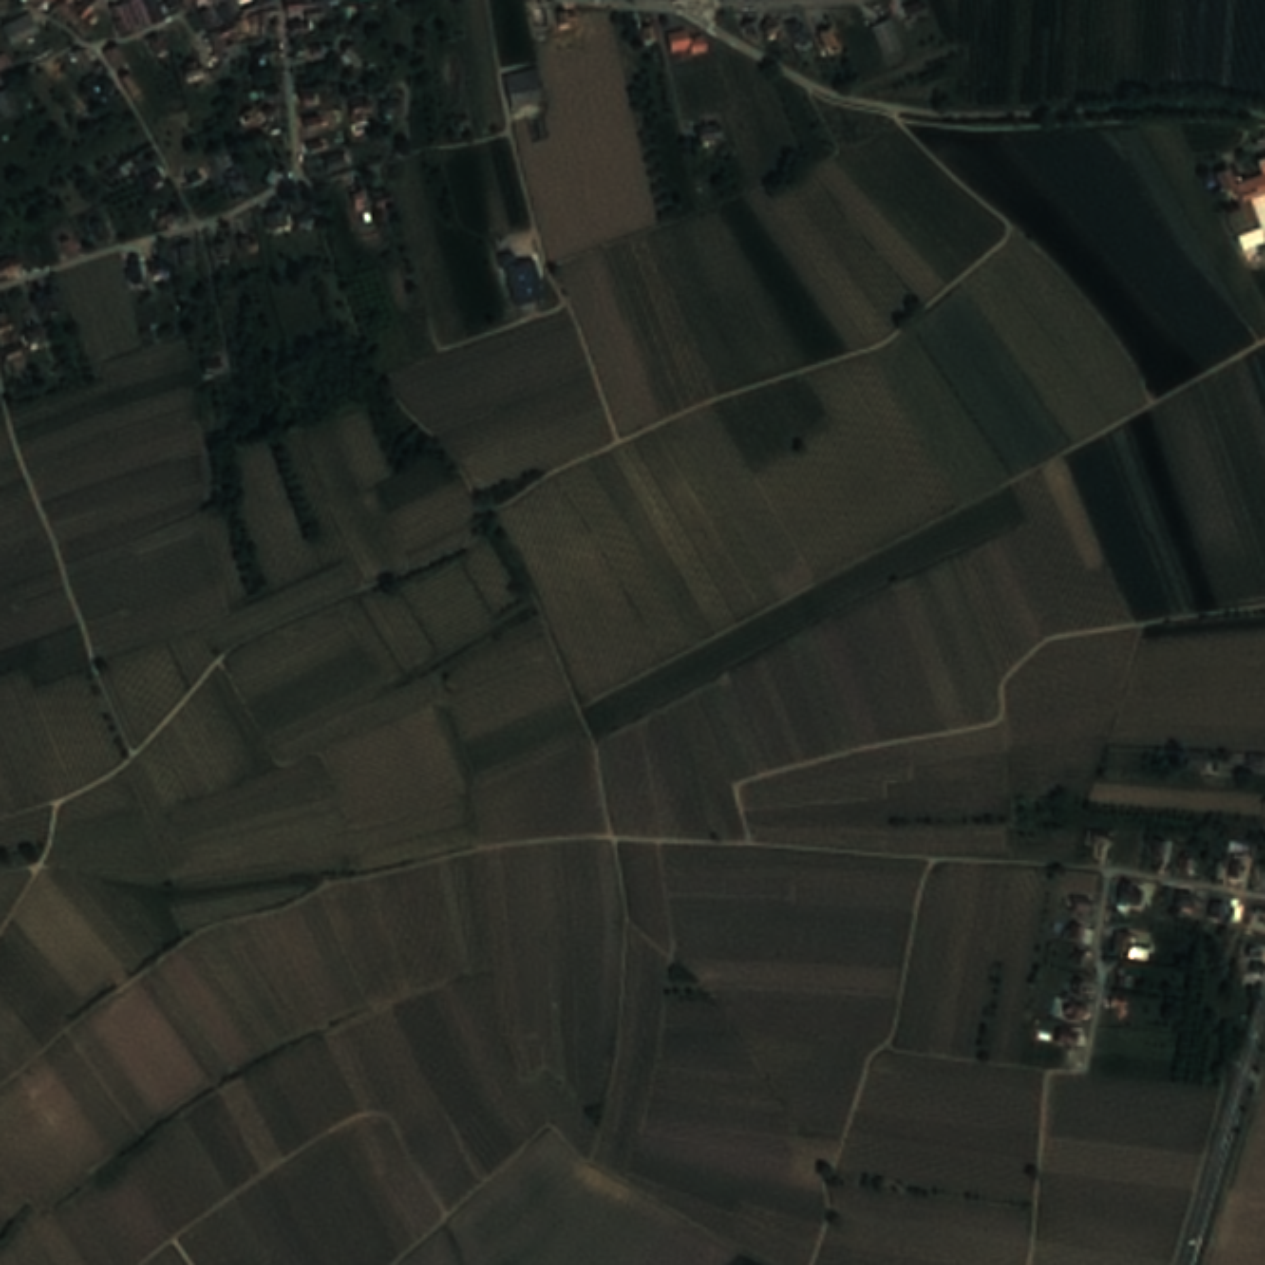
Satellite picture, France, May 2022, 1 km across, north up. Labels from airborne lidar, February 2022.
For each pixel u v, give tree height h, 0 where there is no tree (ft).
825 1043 0
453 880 0
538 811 0
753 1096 0
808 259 0
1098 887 0
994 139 0
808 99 0
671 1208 0
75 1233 0
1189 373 0
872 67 0
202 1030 0
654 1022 0
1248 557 0
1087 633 0
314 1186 0
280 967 0
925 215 0
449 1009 0
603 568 0
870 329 0
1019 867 0
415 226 0
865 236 0
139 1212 0
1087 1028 0
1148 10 0
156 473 0
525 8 0
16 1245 0
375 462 0
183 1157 0
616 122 0
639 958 0
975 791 0
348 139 25
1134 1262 0
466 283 0
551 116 0
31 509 0
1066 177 0
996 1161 0
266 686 0
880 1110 0
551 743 0
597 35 0
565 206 0
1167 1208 0
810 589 0
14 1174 0
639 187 0
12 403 33
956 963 0
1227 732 0
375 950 0
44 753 0
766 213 0
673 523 0
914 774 0
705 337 0
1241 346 0
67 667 0
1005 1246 0
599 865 0
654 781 0
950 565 0
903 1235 0
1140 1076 0
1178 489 0
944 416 0
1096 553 0
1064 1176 0
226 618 0
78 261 0
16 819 0
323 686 0
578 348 0
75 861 0
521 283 0
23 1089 0
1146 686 0
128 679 0
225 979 0
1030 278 0
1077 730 0
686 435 0
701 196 0
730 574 0
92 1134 0
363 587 0
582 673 0
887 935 0
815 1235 0
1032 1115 0
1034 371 0
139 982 0
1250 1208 0
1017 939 0
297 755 0
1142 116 54
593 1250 0
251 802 0
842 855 0
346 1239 0
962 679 0
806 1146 0
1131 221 0
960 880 0
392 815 0
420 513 0
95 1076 0
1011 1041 0
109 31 0
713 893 0
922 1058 0
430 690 0
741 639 0
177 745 0
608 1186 0
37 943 0
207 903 0
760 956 0
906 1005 0
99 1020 0
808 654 0
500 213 0
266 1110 0
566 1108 0
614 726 0
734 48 0
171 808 0
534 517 0
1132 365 0
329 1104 0
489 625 0
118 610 0
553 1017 0
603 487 0
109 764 0
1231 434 0
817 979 0
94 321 0
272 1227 0
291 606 0
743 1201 0
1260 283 0
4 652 0
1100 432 0
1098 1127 0
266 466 0
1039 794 0
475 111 0
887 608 0
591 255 0
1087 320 0
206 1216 0
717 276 0
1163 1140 0
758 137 0
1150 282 0
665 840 0
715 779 0
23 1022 0
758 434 0
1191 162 0
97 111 38
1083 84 0
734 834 0
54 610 0
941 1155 0
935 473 0
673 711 0
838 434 0
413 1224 0
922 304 32
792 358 0
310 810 0
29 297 0
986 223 0
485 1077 0
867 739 0
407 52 34
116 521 0
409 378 0
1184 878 0
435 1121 0
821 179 0
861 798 0
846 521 0
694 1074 0
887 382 0
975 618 0
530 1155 0
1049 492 0
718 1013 0
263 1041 0
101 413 0
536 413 0
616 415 0
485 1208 0
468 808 0
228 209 0
